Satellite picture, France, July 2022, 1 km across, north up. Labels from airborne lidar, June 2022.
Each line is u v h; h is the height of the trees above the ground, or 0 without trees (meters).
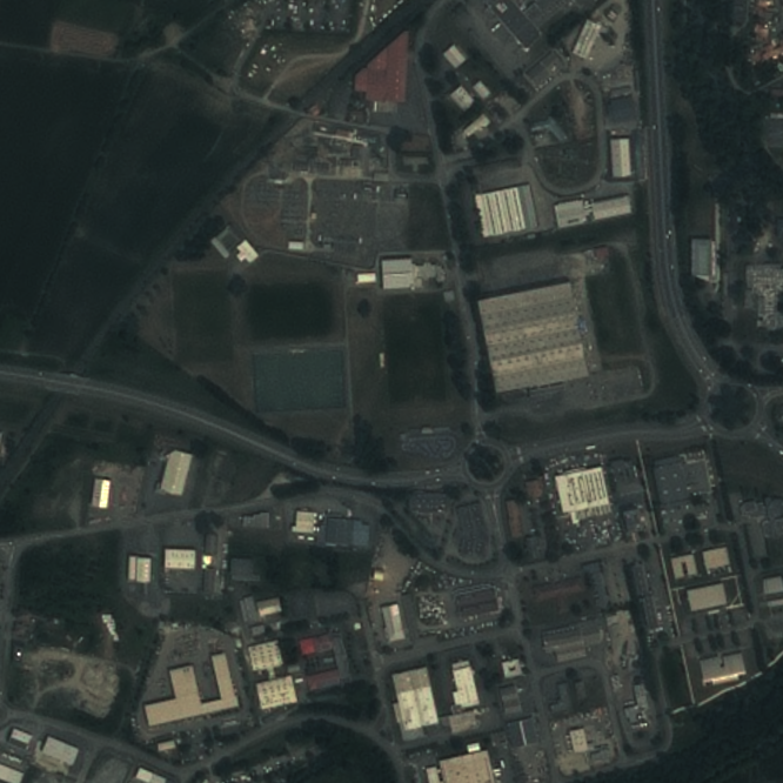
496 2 0
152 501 0
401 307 0
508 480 0
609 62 0
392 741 0
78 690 0
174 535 0
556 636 0
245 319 0
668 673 0
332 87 0
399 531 11
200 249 12
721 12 22
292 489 13
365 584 0
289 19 6
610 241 0
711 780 11
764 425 0
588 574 6
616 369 0
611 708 0
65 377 0
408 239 0
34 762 0
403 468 0
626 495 0
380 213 0
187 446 0
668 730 0
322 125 0
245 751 0
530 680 0
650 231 0
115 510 0
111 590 0
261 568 0
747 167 13
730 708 18
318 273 0
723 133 18
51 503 0
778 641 0
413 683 0
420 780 0
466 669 0
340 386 0
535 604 0
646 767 7
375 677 0
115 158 0
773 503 0
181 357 0
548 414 0
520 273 0
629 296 0
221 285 0
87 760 0
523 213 0
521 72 11
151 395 0
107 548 0
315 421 0
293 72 0
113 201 0
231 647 0
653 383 0
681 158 15
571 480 0
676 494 0
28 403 0
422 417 0
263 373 0
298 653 8
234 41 0
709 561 0
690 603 0
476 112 15
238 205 0
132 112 0
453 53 0
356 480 0
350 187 0
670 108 0
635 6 15
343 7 0
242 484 0
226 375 0
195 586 0
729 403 13
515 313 0
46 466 7
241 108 0
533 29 0
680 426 0
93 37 0
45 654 0
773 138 0
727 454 0
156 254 0
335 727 10
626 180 0
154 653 7
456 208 20
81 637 0
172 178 0
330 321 0
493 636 0
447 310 0
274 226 0
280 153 0
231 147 0
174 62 0
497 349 0
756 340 0
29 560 6
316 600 0
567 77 0
